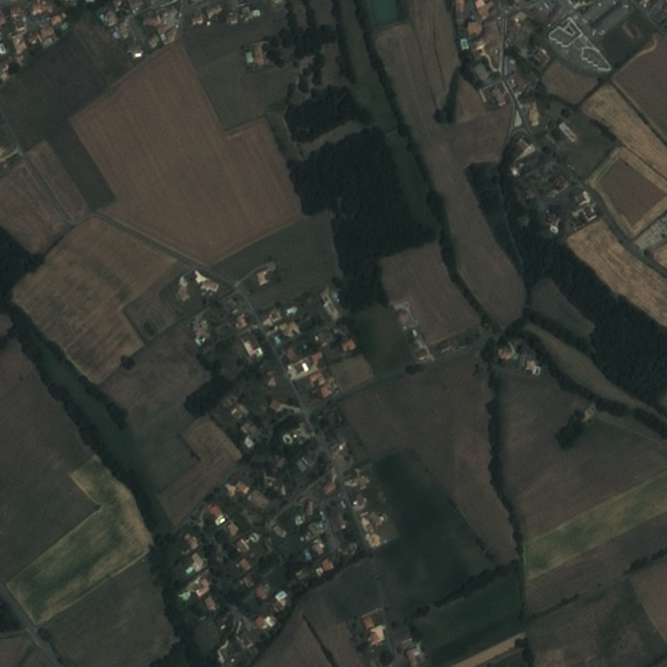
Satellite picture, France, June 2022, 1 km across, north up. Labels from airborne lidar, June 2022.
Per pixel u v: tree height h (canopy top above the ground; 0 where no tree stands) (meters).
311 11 12
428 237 19
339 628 0
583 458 0
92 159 0
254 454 13
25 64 0
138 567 0
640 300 0
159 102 0
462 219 0
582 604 0
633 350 13
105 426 0
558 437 9
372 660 0
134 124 0
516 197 15
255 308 0
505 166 16
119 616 0
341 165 19
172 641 0
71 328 0
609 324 18
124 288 0
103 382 0
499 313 0
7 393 0
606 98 0
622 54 0
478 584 20
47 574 0
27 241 0
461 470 0
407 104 0
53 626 0
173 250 0
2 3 0
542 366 12
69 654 0
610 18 0
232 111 0
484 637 0
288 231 0
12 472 0
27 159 0
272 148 0
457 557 0
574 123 0
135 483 20
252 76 0
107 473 0
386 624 0
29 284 0
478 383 0
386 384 0
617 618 0
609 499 0
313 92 15
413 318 0
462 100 0
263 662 0
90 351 0
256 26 0
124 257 0
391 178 16
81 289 0
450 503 7
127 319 0
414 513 0
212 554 12
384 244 17
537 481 0
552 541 0
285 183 0
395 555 0
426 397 0
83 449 0
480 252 0
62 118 0
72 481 0
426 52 0
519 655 0
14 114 0
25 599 0
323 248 0
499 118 0
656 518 0
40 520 0
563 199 0
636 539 0
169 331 0
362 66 0
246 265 0
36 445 0
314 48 19
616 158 0
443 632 0
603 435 0
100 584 0
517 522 13
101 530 0
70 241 0
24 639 0
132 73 0
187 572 0
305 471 0
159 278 0
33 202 0
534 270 13
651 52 0
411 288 0
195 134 0
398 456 0
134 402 0
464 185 0
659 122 0
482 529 0
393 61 0
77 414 19
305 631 0
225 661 0
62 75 0
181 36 0
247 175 0
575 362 0
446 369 0
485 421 0
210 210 0
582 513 0
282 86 0
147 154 0
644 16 0
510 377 0
